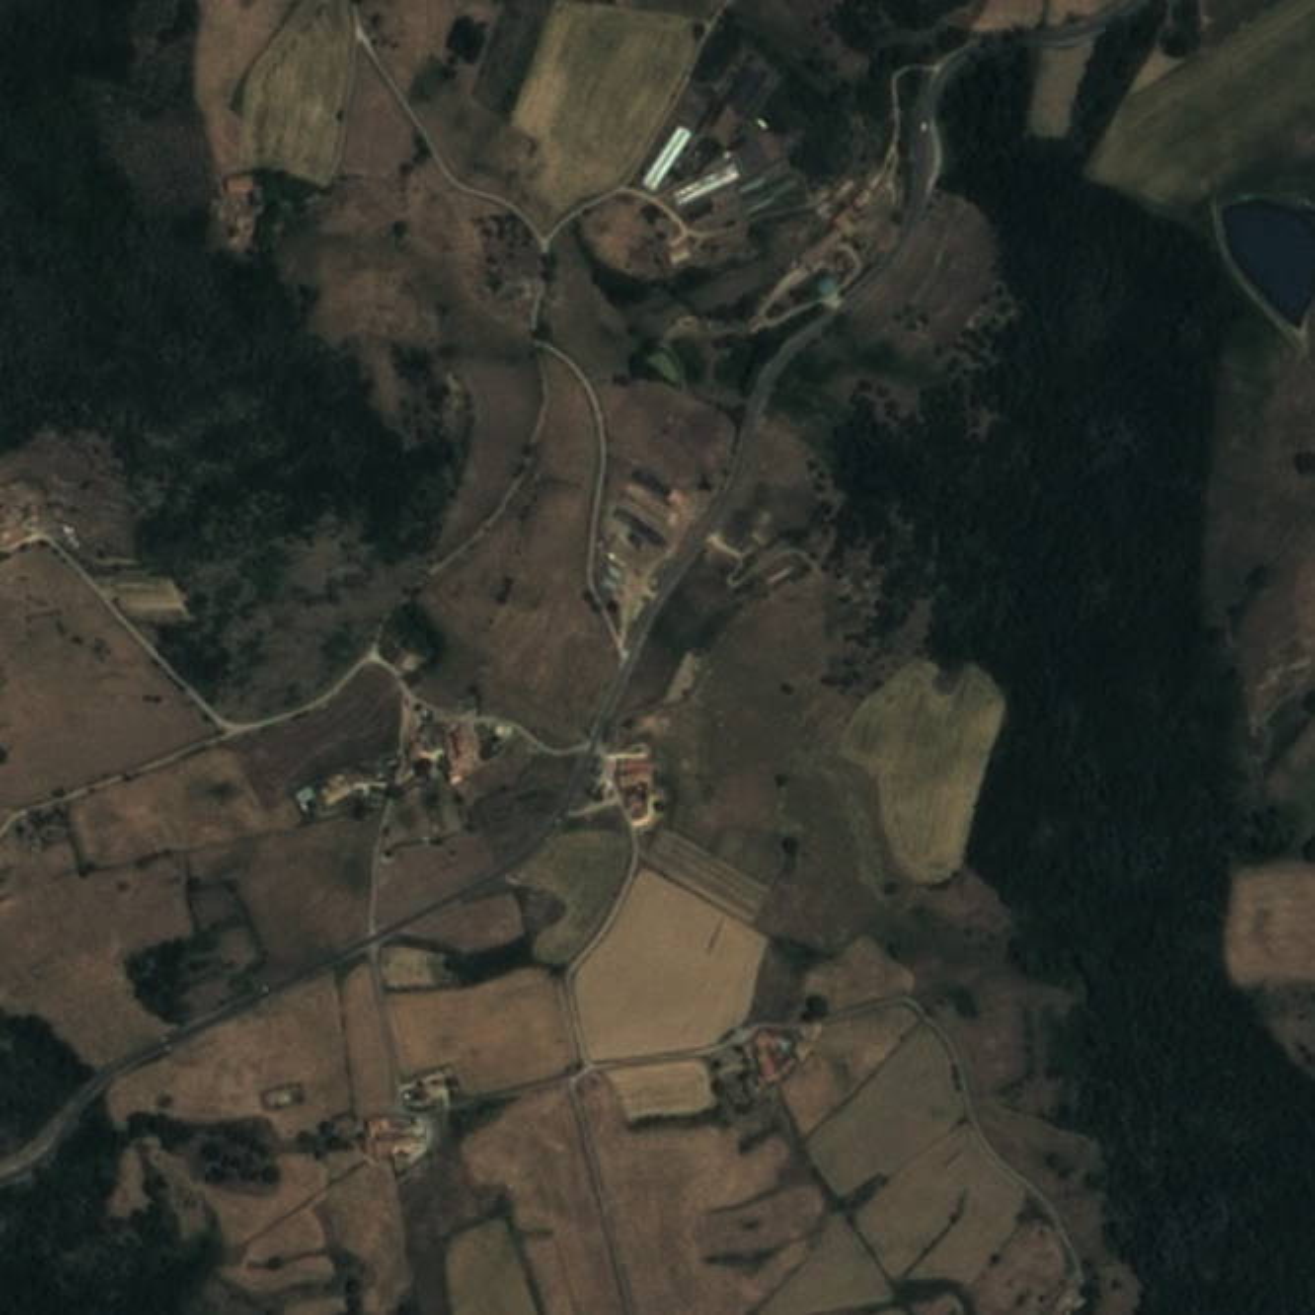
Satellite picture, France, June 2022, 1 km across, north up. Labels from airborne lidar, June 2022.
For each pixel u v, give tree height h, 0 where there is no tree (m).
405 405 6
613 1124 0
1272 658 0
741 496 0
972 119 15
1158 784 8
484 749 7
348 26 0
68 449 0
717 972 0
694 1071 0
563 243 0
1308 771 0
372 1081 0
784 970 0
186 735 0
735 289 0
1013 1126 0
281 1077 0
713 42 0
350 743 0
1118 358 14
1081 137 9
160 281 16
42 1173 8
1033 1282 0
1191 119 0
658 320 0
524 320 0
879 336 0
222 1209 0
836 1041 0
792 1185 0
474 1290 0
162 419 6
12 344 9
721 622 0
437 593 0
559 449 0
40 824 9
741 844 0
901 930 0
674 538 0
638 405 0
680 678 0
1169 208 0
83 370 6
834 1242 0
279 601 0
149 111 6
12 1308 19
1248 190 0
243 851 0
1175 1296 8
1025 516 19
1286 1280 7
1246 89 0
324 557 0
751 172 0
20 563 0
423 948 0
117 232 12
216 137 0
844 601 6
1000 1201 0
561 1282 0
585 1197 0
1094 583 8
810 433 0
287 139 0
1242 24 0
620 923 0
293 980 0
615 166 0
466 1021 0
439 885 0
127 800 0
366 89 0
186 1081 0
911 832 0
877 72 9
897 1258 0
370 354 0
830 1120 0
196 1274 13
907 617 6
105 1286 11
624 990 0
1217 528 0
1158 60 0
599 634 0
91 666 0
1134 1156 13
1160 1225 14
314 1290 0
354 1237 0
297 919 0
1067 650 19
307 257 0
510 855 0
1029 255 19
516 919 0
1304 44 0
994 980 0
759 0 0
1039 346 9
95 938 0
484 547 0
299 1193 0
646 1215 0
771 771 0
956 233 0
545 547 0
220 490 10
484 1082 0
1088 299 8
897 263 0
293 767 0
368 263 0
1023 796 7
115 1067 0
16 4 12
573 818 0
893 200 0
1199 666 8
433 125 0
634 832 0
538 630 0
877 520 7
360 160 0
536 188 0
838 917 0
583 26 0
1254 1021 14
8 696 0
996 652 11
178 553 8
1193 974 8
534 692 0
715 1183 0
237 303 7
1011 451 6
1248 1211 10
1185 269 12
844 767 0
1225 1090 7
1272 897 0
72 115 11
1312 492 0
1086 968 28
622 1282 0
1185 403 8
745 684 0
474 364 0
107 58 9
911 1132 0
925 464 12
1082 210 11
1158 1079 9
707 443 0
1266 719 0
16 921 0
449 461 6
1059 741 13
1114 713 8
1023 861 6
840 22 10
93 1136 8
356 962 0
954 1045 0
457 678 0
